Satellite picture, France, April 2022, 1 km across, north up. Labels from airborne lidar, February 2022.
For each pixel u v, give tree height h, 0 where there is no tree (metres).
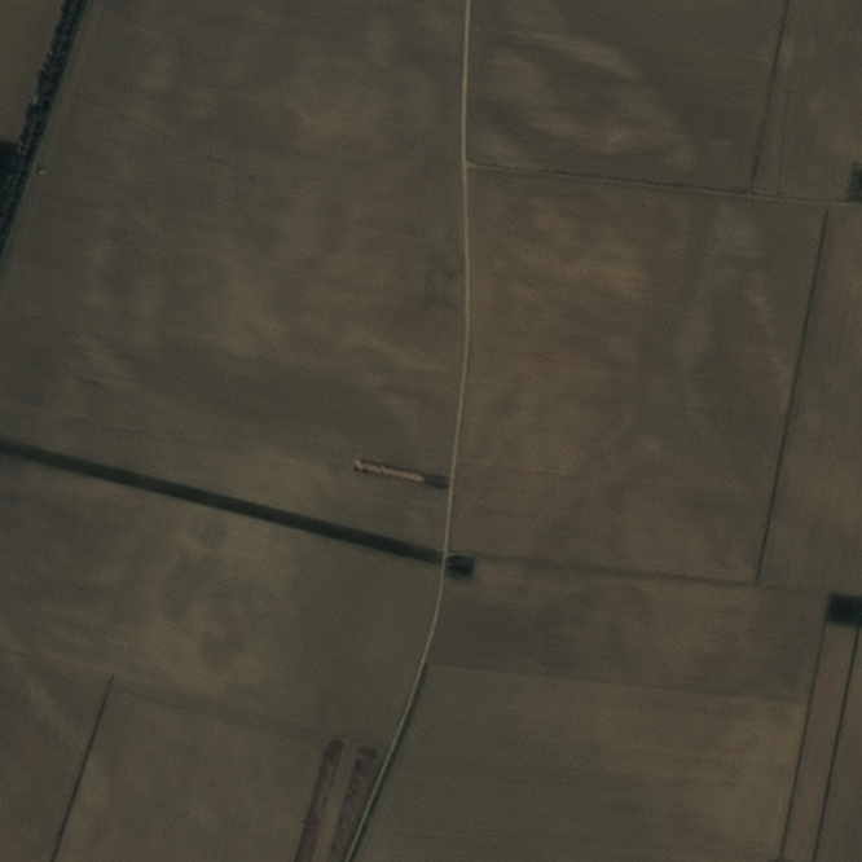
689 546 0
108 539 0
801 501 0
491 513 0
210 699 0
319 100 0
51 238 0
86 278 0
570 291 0
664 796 0
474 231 0
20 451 0
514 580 0
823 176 0
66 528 0
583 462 0
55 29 0
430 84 0
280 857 0
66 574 0
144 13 0
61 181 0
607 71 0
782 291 0
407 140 0
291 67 0
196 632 0
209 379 0
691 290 0
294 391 0
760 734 0
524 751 0
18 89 0
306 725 0
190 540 0
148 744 0
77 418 0
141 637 0
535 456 0
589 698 0
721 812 0
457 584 0
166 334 0
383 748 0
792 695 0
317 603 0
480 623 0
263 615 0
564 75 0
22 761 0
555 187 0
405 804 0
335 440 0
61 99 0
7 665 0
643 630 0
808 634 0
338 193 0
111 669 0
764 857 0
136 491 0
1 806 0
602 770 0
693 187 0
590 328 0
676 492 0
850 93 0
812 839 0
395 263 0
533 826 0
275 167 0
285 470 0
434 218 0
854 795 0
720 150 0
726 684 0
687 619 0
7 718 0
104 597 0
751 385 0
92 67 0
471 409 0
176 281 0
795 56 0
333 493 0
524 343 0
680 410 0
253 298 0
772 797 0
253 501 0
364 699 0
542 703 0
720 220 0
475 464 0
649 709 0
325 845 0
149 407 0
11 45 0
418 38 0
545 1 0
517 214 0
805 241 0
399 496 0
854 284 0
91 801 0
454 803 0
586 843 0
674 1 0
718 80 0
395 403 0
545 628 0
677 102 0
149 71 0
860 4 0
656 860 0
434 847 0
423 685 0
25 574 0
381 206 0
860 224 0
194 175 0
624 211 0
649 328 0
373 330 0
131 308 0
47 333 0
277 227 0
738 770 0
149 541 0
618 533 0
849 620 0
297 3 0
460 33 0
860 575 0
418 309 0
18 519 0
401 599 0
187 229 0
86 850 0
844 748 0
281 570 0
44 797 0
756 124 0
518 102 0
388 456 0
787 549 0
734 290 0
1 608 0
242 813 0
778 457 0
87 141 0
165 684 0
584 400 0
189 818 0
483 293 0
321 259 0
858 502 0
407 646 0
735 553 0
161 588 0
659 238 0
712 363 0
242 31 0
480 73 0
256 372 0
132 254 0
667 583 0
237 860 0
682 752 0
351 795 0
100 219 0
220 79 0
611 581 0
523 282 0
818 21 0
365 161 0
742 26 0
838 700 0
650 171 0
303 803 0
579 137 0
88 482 0
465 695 0
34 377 0
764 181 0
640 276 0
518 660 0
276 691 0
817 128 0
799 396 0
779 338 0
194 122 0
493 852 0
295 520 0
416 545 0
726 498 0
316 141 0
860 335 0
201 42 0
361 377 0
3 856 0
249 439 0
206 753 0
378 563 0
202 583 0
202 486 0
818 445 0
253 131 0
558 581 0
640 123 0
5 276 0
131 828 0
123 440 0
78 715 0
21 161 9
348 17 0
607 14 0
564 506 0
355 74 0
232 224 0
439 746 0
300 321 0
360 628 0
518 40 0
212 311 0
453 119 0
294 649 0
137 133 0
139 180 0
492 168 0
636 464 0
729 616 0
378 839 0
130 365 0
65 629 0
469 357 0
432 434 0
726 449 0
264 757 0
